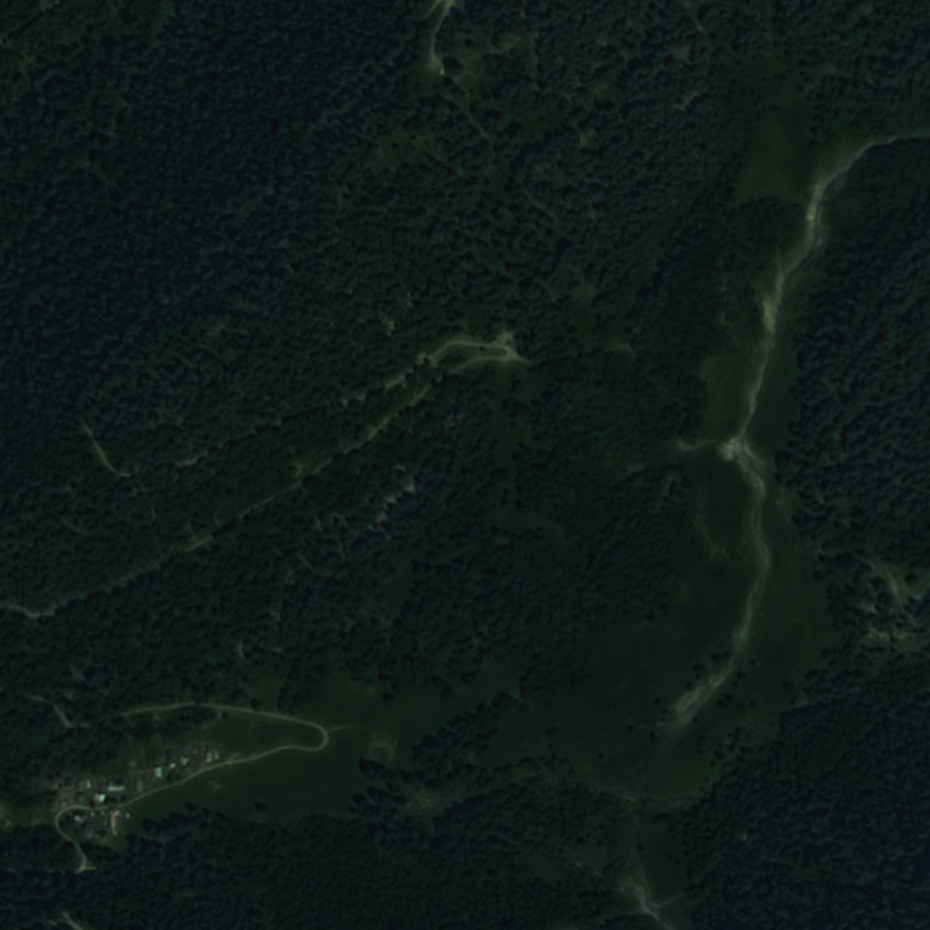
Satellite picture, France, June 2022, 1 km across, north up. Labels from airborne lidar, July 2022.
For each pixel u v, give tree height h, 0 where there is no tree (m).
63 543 33
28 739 19
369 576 25
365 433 34
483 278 23
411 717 0
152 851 29
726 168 10
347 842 13
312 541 16
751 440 0
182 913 12
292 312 32
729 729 0
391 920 9
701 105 24
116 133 10
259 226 10
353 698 0
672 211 12
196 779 0
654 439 10
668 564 15
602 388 16
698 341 13
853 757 15
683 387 16
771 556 0
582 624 14
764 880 11
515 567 17
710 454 0
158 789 0
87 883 24
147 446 17
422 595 15
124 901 20
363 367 15
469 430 29
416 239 24
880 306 8
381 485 11
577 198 23
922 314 15
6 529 25
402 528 26
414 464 16
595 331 10
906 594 0
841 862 18
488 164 38
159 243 20
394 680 11
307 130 9
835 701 11
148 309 28
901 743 19
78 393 14
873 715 19
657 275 8
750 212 13
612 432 7
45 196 16
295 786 0
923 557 12
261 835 9
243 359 14
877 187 8
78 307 11
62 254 20
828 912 8
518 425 9
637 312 13
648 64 20
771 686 0
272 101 21
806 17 22
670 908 0
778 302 0
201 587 10
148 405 26
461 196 38
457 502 26
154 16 9
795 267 0
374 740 0
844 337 7
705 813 12
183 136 15
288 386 14
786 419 0
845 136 14
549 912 13
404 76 9
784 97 0
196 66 10
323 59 22
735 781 10
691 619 0
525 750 0
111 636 24
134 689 17
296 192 7
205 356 23
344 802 0
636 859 0
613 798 6
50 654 8
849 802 11
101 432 7
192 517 16
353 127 27
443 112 33
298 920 13
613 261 13
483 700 0
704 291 11
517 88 28
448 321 9
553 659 11
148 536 25
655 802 0
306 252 11
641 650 0
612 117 25
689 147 24
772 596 0
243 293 27
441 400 35
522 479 11
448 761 19
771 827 17
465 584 25
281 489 10
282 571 22
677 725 0
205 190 11
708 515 0
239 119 22
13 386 12
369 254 22
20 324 22
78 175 24
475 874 21
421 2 14
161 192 19
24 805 11
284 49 14
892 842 28
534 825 14
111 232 12
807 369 27
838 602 16
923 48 27
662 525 14
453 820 20
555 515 8
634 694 0
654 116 21
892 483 34
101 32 9
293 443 19
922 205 9
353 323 23
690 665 0
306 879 12
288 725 0
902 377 30
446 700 14
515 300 8
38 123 25
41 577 33
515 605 29
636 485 12
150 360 21
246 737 0
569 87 25
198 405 11
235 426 15
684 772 0
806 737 18
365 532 17
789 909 13
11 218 19
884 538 14
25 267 19
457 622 29
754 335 0
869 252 19
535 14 28
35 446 11
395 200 30
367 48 16
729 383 0
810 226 0
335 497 17
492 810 16
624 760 0
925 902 17
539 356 25
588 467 12
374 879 8
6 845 14
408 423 20
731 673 0
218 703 9
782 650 0
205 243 7
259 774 0
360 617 10
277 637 13
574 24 23
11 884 30
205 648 8
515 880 8
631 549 17
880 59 20
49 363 14
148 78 20
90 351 33
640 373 10
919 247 32
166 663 15
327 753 0
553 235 30
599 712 0
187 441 21
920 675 9
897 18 8
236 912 17
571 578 7
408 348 23
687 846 10
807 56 12
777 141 0
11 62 19
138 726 6
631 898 0
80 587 23
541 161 30
